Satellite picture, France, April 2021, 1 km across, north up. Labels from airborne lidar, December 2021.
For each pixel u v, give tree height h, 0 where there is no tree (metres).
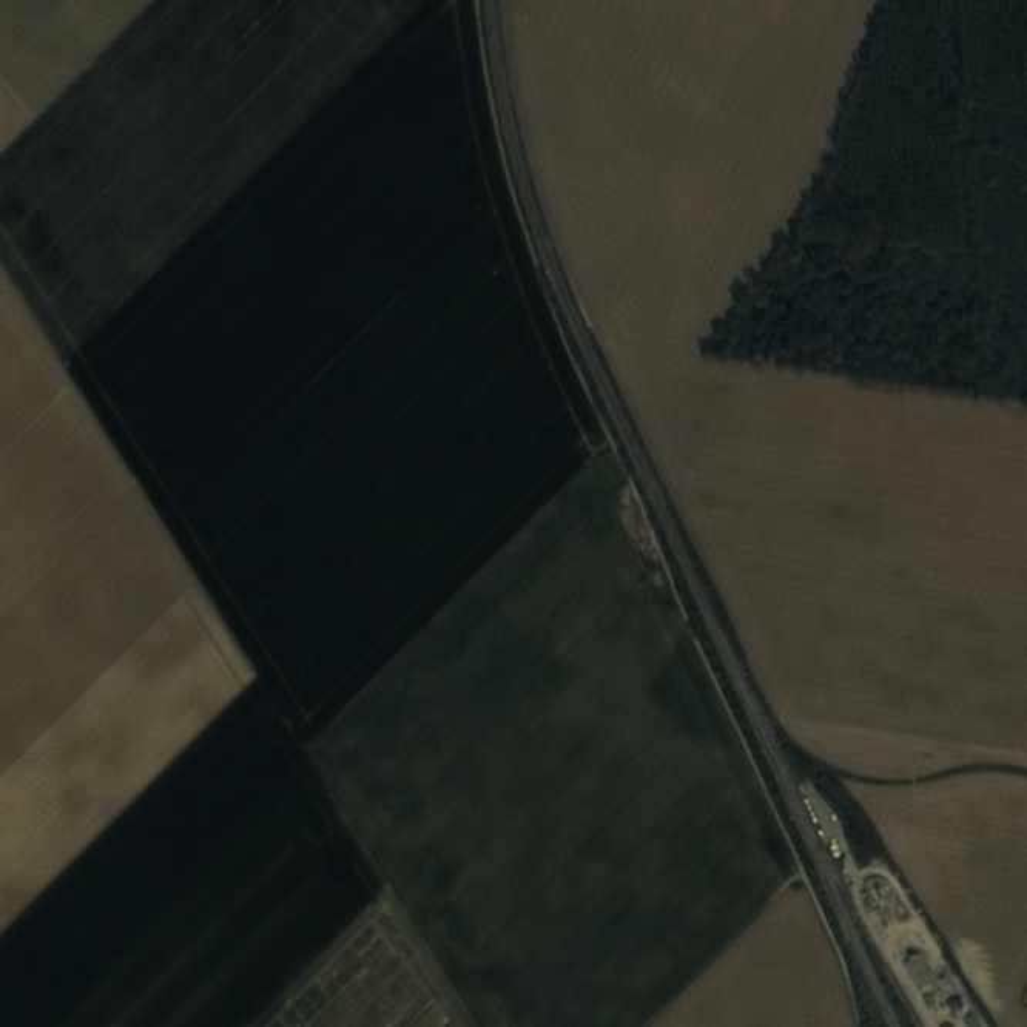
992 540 0
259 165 0
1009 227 21
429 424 0
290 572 0
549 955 0
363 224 0
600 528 0
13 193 0
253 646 0
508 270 0
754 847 0
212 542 0
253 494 0
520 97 0
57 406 0
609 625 0
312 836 0
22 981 0
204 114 0
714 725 0
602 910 0
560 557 0
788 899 0
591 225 0
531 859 0
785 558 0
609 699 0
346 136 0
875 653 0
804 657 0
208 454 0
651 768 0
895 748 0
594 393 10
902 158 29
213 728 0
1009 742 0
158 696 0
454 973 0
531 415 0
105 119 0
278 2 0
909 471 0
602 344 0
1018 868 0
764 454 0
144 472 0
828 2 0
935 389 19
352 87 0
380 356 0
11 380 0
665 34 0
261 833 0
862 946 0
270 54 0
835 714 0
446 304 0
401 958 0
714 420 0
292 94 0
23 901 0
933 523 0
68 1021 0
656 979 0
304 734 0
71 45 0
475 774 0
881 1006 0
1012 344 17
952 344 9
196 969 0
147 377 0
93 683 0
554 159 0
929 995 0
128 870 0
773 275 11
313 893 0
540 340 0
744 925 0
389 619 0
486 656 0
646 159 0
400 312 0
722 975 0
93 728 0
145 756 0
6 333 0
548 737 0
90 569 0
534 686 0
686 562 0
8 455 0
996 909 0
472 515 0
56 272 0
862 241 29
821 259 15
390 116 0
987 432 0
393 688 0
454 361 0
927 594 0
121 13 0
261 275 0
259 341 0
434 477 0
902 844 0
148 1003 0
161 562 0
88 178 0
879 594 0
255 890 0
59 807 0
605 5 0
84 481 0
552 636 0
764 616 0
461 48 0
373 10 0
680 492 0
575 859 0
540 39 0
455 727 0
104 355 0
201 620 0
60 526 0
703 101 0
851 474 0
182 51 0
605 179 0
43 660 0
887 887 0
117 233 0
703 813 0
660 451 0
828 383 0
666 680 0
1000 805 0
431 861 0
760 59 0
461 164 0
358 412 0
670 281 0
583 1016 0
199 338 0
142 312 0
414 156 0
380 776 0
